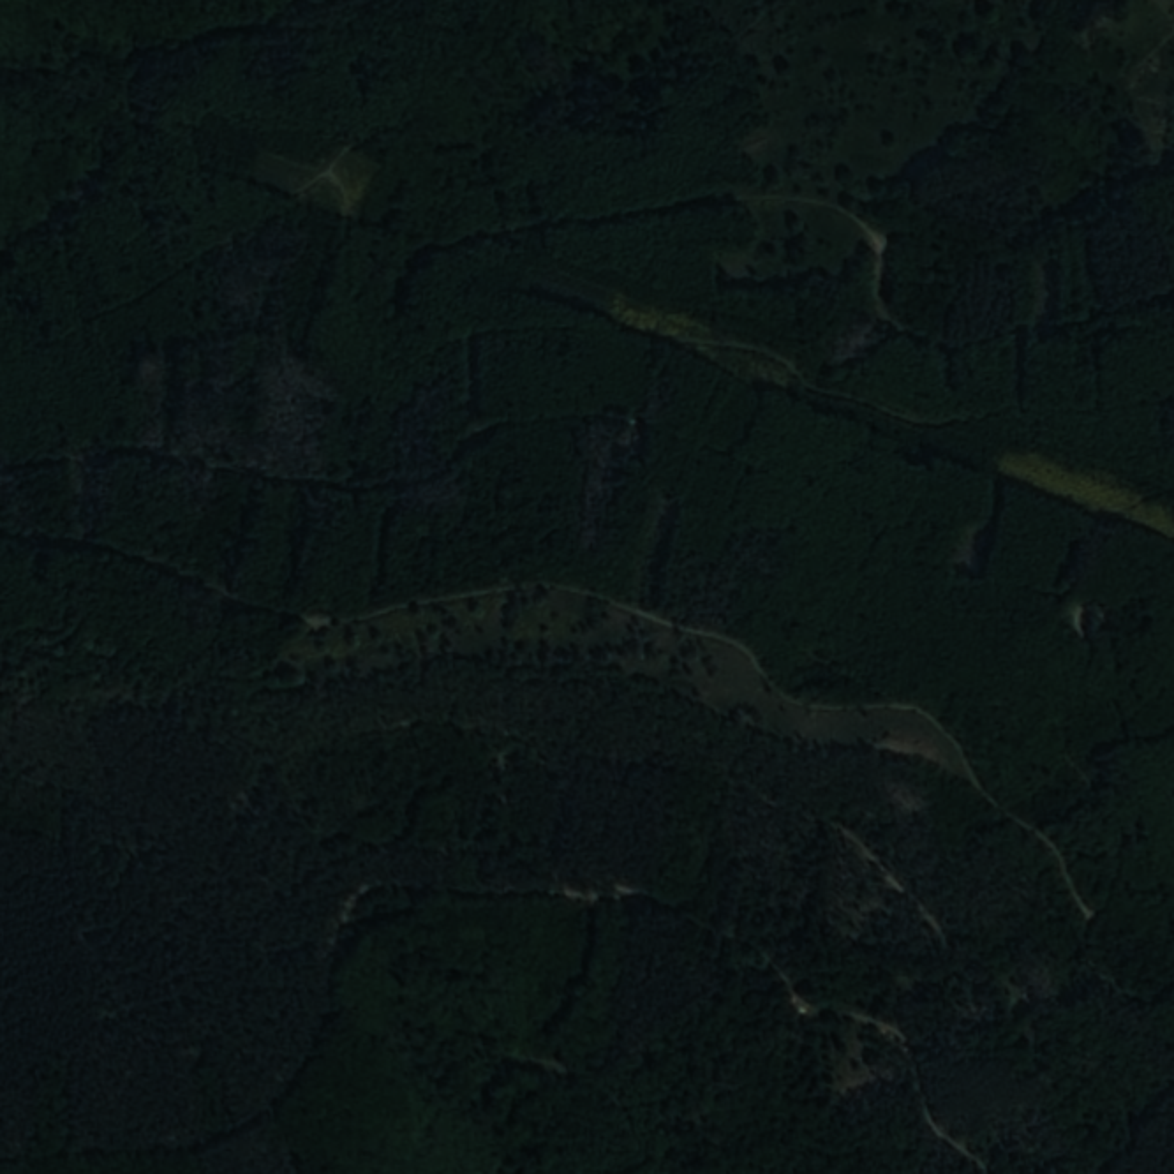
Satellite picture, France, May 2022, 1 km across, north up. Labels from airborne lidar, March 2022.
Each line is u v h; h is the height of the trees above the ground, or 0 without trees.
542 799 10
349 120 15
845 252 0
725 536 12
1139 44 0
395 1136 22
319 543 23
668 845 14
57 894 25
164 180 17
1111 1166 22
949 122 0
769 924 21
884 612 21
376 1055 24
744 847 19
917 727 0
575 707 20
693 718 17
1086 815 19
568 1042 26
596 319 18
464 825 13
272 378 28
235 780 27
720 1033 17
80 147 27
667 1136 22
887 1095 22
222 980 29
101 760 24
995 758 18
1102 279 31
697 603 15
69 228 27
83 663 9
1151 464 18
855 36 0
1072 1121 12
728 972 36
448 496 24
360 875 32
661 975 30
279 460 28
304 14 28
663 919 34
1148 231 26
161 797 23
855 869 20
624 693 18
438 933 32
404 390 23
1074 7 0
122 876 23
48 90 22
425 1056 21
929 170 26
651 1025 23
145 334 13
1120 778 20
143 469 24
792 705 0
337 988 21
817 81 0
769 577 17
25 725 13
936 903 19
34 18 21
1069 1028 14
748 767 18
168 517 22
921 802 20
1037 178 31
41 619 14
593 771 29
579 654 9
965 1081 17
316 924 31
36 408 17
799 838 9
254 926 33
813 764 16
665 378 20
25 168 15
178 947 28
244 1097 28
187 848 31
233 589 21
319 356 31
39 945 25
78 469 25
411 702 19
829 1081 17
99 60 21
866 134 0
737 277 0
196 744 28
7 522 21
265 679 14
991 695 19
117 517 24
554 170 21
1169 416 25
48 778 16
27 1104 25
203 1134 13
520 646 7
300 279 6
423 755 8
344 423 31
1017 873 17
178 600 21
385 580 12
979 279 35
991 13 15
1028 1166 18
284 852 26
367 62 18
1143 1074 15
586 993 31
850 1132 24
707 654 7
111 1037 25
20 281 20
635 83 0
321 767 16
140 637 14
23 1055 26
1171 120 13
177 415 26
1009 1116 14
